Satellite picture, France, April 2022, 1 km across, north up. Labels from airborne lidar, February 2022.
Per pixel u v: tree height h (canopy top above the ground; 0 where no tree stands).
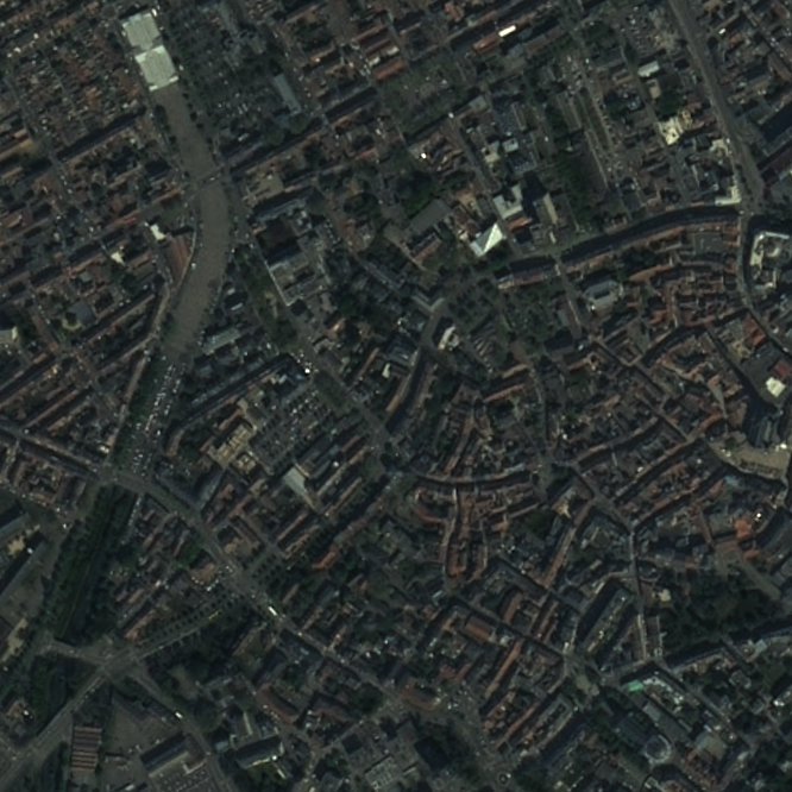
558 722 0
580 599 0
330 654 0
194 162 0
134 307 0
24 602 0
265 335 0
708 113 0
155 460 13
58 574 10
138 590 0
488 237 0
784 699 0
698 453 0
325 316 0
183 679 0
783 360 0
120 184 0
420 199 18
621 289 0
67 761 14
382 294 0
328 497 0
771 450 0
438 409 20
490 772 0
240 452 0
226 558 0
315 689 0
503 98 0
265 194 0
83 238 0
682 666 0
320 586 0
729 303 0
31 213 0
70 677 18
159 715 0
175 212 16
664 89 0
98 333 0
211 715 29
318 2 0
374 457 7
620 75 0
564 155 11
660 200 0
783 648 0
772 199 15
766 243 0
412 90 0
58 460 0
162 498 0
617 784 0
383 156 0
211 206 0
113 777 0
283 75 0
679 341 0
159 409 0
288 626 0
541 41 0
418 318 0
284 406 0
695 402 0
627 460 0
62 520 0
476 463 0
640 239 0
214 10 0
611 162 0
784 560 0
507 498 0
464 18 0
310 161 13
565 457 0
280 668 0
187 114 0
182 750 0
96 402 0
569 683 14
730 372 0
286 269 0
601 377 0
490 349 0
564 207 0
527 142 0
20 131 0
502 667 0
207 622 0
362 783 7
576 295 0
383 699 8
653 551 0
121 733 0
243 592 0
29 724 13
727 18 0
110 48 0
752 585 0
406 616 0
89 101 0
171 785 0
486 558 0
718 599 30
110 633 0
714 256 0
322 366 0
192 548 13
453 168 0
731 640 0
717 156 0
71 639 0
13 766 0
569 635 0
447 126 0
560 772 0
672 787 0
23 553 0
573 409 20
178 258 0
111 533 12
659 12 0
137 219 0
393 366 0
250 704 21
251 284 18
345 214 0
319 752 0
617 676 7
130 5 0
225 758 13
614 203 22
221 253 0
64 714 0
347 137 0
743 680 0
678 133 0
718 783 0
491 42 0
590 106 13
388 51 0
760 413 0
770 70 0
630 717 0
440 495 0
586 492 0
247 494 0
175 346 0
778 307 0
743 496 0
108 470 0
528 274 0
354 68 0
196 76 8
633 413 0
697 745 0
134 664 0
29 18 0
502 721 0
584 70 0
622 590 0
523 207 0
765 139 0
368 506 0
